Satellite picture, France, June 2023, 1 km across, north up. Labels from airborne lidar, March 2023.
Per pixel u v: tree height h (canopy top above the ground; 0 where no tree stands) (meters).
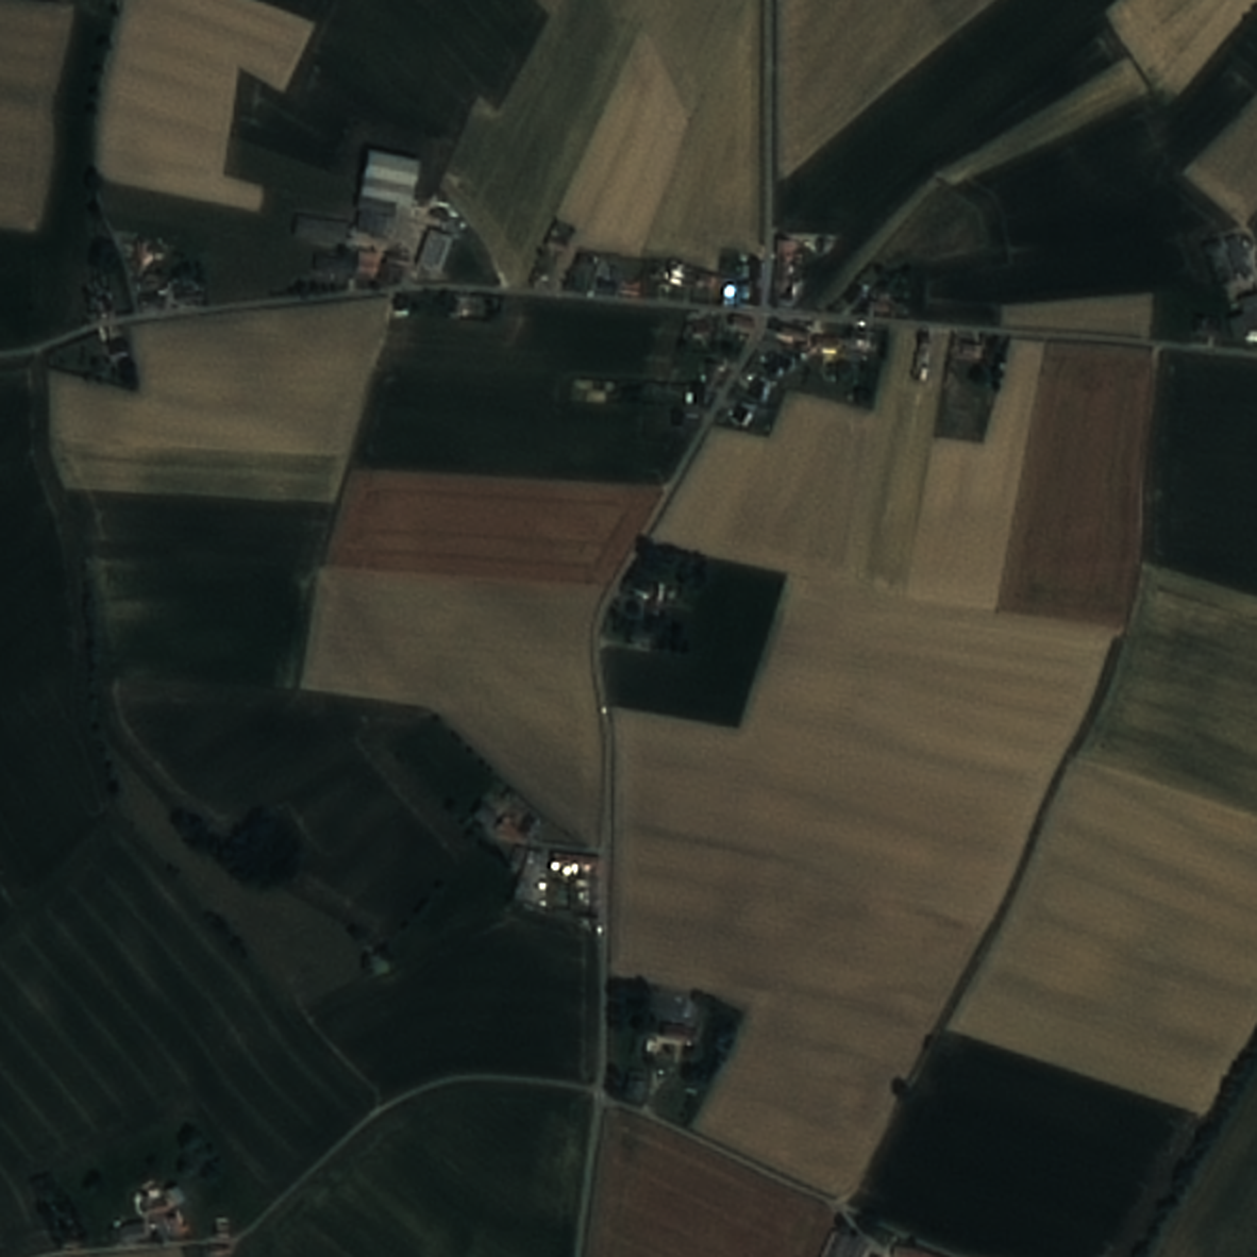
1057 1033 0
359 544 0
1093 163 0
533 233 0
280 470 0
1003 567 0
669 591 0
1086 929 0
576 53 0
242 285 0
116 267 13
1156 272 0
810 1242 0
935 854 0
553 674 0
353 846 0
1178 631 0
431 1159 0
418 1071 0
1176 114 0
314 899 0
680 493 0
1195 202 0
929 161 0
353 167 0
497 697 0
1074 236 0
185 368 0
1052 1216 0
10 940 0
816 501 0
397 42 0
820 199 0
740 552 0
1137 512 0
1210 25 0
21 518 0
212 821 0
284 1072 0
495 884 0
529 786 0
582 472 0
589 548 0
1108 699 0
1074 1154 0
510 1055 0
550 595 0
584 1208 0
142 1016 0
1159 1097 0
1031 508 0
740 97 0
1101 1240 0
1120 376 0
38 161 0
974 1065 0
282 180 0
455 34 0
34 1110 0
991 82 0
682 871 0
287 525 0
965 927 0
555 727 0
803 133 0
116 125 0
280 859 21
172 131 0
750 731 0
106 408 0
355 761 0
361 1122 0
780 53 0
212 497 0
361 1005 0
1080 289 0
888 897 0
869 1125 0
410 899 0
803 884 0
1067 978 0
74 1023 0
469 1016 0
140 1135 0
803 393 0
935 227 0
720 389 0
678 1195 0
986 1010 0
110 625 0
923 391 0
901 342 0
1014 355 0
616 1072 11
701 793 0
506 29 0
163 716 0
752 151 0
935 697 0
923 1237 0
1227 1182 0
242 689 0
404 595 0
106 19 0
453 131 0
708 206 0
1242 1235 0
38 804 0
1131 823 0
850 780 0
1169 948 0
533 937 0
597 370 0
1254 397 0
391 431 0
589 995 0
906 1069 0
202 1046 0
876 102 0
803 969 0
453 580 0
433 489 0
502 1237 0
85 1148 0
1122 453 0
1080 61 0
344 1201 0
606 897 0
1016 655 0
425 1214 0
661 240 0
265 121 0
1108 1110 0
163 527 0
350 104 0
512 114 0
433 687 0
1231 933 0
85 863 0
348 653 0
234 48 0
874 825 0
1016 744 0
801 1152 0
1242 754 0
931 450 0
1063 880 0
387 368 0
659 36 0
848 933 0
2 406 0
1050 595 0
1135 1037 0
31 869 0
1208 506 0
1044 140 0
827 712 0
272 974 0
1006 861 0
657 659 0
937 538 0
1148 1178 0
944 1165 0
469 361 0
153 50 0
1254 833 0
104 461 0
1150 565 0
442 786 0
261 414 0
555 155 0
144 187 0
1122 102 0
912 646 0
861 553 0
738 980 0
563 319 0
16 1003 0
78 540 0
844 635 0
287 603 0
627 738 0
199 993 0
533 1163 0
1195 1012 0
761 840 0
